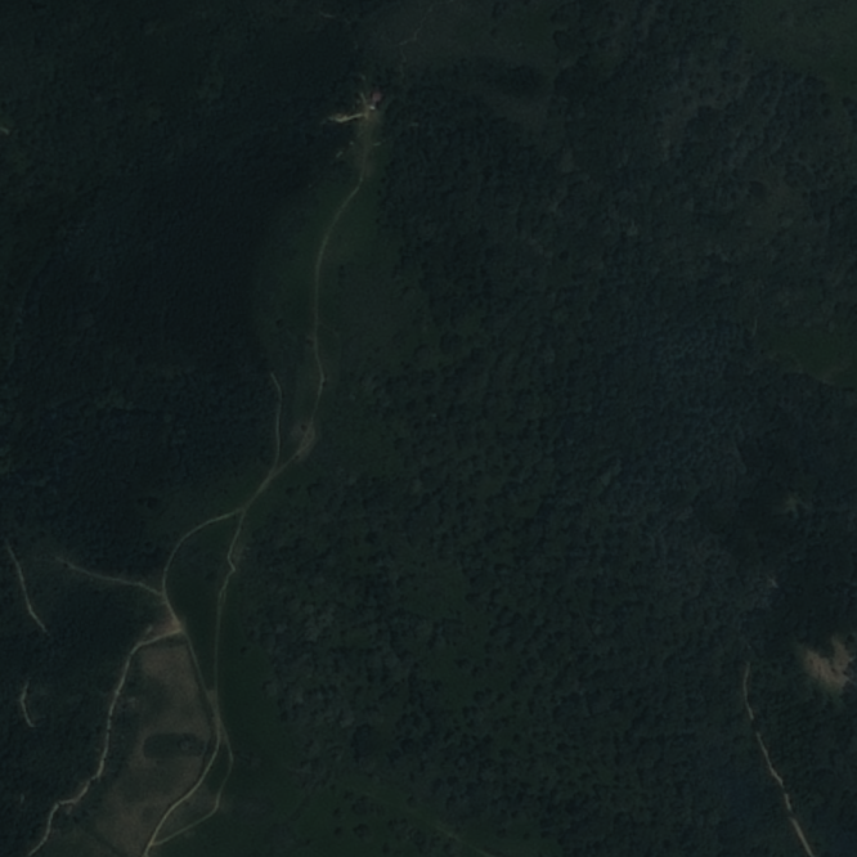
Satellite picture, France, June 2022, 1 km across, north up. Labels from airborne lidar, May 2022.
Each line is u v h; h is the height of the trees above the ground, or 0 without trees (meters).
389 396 23
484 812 25
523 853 0
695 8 16
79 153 29
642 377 28
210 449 24
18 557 7
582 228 15
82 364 11
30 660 18
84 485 35
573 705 25
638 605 14
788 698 12
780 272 6
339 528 9
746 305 18
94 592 8
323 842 0
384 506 21
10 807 16
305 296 0
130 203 18
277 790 0
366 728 14
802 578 34
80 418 35
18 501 26
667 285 21
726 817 13
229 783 0
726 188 11
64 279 23
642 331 21
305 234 0
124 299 16
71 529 24
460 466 11
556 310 15
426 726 19
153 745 0
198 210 20
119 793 0
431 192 19
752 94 14
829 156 9
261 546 8
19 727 13
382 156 0
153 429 38
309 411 0
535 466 24
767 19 0
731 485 20
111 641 14
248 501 0
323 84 24
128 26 8
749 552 26
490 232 25
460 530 14
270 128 15
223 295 17
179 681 0
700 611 16
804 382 21
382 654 19
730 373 30
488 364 20
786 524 26
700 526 20
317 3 16
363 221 0
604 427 15
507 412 8
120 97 13
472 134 12
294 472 0
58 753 6
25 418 22
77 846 0
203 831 0
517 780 12
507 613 21
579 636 26
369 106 0
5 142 12
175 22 9
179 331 18
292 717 14
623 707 31
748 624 29
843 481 30
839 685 0
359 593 10
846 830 12
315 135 24
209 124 23
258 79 15
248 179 20
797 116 16
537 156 22
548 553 27
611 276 27
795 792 8
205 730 0
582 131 27
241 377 16
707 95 12
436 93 20
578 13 21
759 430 22
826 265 12
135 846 0
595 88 24
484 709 12
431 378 23
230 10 17
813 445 23
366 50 9
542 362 13
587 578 20
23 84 22
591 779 18
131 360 10
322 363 0
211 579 7
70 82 26
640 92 21
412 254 9
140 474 30
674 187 10
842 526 21
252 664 0
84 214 10
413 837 12
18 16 26
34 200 22
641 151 10
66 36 15
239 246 17
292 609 13
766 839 15
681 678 23
